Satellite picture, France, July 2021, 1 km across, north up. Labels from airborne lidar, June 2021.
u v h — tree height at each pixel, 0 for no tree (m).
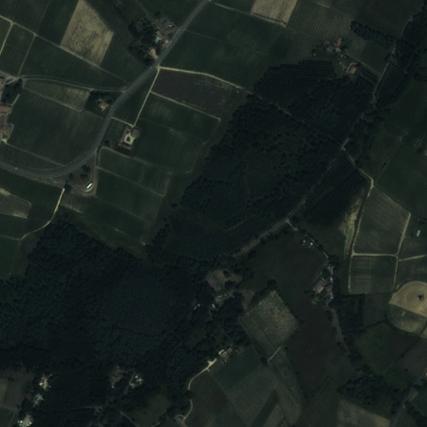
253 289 0
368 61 0
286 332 0
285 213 20
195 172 0
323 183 20
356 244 0
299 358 0
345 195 19
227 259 22
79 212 0
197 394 0
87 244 21
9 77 0
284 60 0
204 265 22
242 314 15
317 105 26
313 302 0
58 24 0
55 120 0
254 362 0
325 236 0
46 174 0
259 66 0
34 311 17
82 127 0
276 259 0
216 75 0
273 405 0
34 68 0
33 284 16
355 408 0
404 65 20
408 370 7
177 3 0
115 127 0
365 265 0
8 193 0
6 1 0
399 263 0
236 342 11
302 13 0
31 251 0
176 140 0
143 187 0
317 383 0
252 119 22
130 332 27
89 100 6
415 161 0
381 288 0
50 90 0
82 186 0
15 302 16
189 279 22
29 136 0
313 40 0
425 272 0
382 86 19
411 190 0
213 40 0
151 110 0
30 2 0
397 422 0
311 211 19
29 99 0
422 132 0
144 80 0
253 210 19
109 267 23
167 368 19
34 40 0
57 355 20
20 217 0
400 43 20
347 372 0
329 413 0
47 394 12
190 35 0
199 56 0
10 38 0
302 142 12
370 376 8
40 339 17
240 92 0
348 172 20
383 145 0
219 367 0
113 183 0
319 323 0
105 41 0
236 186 15
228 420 0
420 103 0
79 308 21
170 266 10
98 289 20
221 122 0
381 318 0
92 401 7
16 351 26
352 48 0
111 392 17
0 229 0
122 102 0
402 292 0
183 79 0
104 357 22
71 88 0
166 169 0
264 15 0
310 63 17
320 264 0
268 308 0
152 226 0
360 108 24
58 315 19
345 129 23
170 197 0
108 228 0
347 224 0
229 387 0
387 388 11
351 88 25
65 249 27
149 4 0
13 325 16
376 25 0
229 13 0
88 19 0
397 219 0
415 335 0
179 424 0
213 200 13
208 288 24
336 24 0
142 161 0
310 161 25
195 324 24
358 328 9
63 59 0
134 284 24
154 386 12
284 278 0
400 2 0
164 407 0
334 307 8
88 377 13
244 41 0
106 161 0
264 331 0
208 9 0
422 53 8
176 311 13
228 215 16
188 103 0
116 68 0
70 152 0
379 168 0
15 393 0
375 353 0
